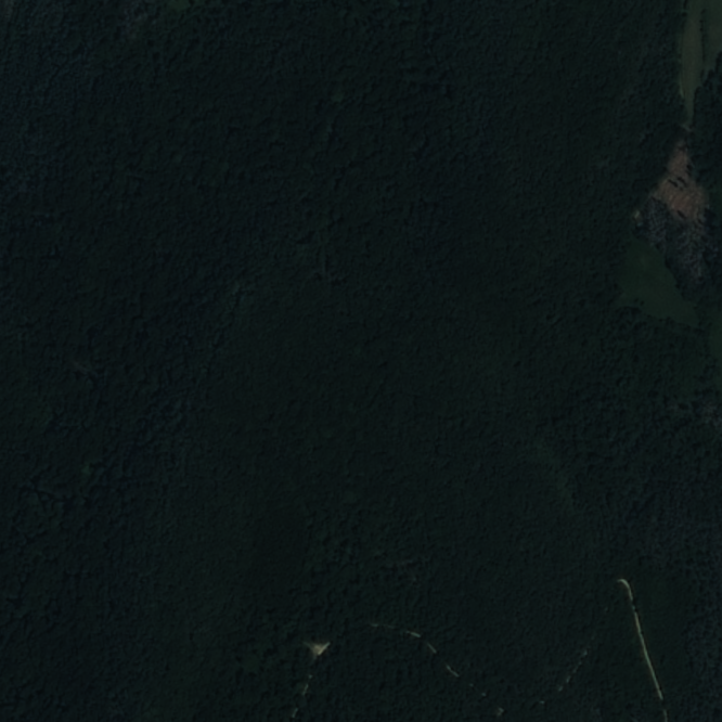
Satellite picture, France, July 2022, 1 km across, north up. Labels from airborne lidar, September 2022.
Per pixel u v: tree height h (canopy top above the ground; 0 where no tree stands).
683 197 0
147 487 30
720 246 25
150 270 21
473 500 15
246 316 9
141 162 24
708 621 17
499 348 19
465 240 16
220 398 19
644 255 0
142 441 22
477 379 18
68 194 29
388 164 25
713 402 21
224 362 11
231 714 21
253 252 28
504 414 20
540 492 11
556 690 8
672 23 20
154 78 10
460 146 21
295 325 16
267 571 15
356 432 26
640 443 24
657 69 17
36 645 32
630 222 29
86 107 28
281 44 25
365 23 6
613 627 7
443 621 13
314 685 15
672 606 7
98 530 30
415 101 29
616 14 17
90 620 29
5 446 24
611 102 21
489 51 13
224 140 25
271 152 30
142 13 22
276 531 14
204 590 15
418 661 21
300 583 14
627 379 15
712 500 19
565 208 17
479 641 13
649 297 0
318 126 30
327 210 31
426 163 30
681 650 7
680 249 31
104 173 22
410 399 20
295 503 22
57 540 30
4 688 34
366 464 28
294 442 23
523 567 15
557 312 17
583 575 13
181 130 23
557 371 26
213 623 8
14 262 31
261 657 22
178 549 15
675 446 29
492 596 13
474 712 14
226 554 17
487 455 22
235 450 22
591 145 15
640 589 8
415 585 16
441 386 20
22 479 25
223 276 24
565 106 14
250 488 19
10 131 0
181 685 13
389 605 16
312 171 27
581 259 19
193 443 15
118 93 23
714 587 18
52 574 28
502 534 18
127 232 23
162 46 13
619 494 29
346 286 17
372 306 22
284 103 24
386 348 23
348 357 23
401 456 21
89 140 26
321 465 25
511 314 23
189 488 13
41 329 23
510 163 11
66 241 27
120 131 25
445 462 19
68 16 18
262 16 26
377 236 36
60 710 29
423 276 27
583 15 15
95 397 29
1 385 28
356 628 16
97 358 34
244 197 23
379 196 29
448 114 24
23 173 24
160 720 14
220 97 26
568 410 16
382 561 15
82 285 29
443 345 20
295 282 21
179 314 29
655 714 8
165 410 18
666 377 7
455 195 20
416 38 11
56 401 23
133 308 30
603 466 21
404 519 15
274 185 28
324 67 20
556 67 17
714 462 24
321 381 23
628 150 18
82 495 26
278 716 21
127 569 27
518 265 23
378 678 16
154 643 17
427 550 15
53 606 25
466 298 18
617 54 17
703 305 20
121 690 22
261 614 26
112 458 36
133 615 23
